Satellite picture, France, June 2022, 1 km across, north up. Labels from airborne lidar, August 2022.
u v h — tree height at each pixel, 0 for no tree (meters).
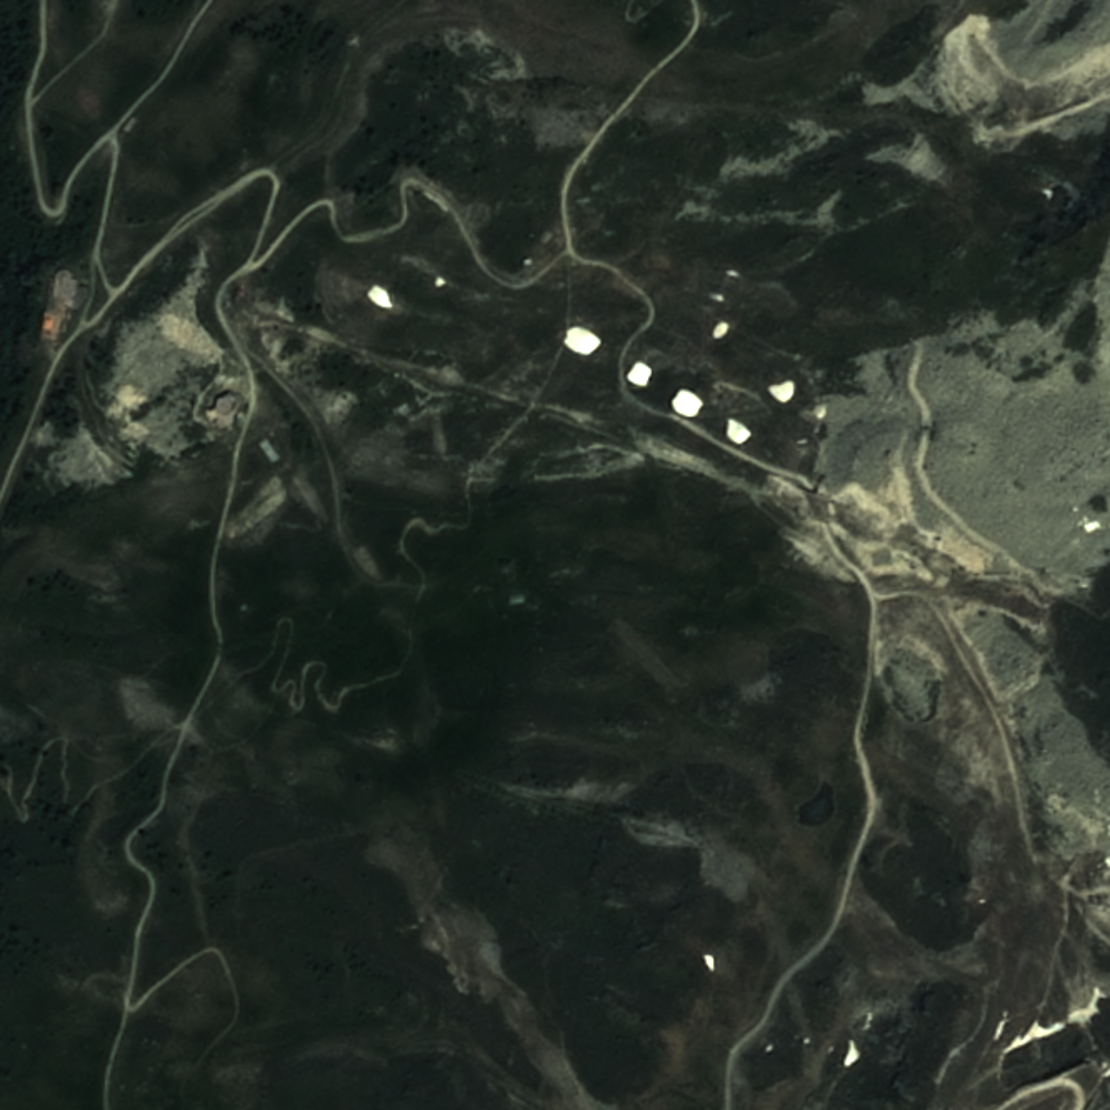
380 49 0
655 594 0
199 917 0
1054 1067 0
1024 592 0
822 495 0
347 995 0
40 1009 0
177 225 0
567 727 0
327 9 0
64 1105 0
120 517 0
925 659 0
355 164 0
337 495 0
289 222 0
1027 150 0
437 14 0
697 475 0
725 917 0
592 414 0
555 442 0
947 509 0
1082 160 0
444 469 0
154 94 0
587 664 0
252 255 0
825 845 0
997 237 0
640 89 0
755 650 0
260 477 0
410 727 0
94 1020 0
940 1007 0
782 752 0
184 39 0
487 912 0
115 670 0
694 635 0
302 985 0
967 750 0
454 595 0
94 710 0
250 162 0
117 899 0
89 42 0
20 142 0
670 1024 0
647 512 0
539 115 0
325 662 0
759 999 0
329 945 0
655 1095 0
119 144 0
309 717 0
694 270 0
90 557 0
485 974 0
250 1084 0
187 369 0
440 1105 0
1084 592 0
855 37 0
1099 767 0
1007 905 0
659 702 0
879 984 0
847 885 0
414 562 0
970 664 0
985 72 0
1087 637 0
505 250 0
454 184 0
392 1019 0
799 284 0
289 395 0
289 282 0
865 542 0
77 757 0
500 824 0
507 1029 0
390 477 0
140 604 0
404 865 0
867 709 0
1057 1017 0
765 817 0
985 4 0
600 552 0
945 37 0
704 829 0
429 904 0
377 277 0
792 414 0
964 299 0
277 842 0
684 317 0
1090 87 0
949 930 0
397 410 0
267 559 0
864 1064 0
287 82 0
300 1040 0
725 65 0
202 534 0
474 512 0
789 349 0
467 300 0
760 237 0
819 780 0
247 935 0
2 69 15
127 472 0
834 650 0
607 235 0
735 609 0
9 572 0
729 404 0
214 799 0
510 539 0
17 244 6
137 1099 0
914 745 0
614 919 0
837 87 0
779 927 0
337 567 0
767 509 0
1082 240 0
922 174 0
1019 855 0
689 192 0
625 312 0
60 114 0
